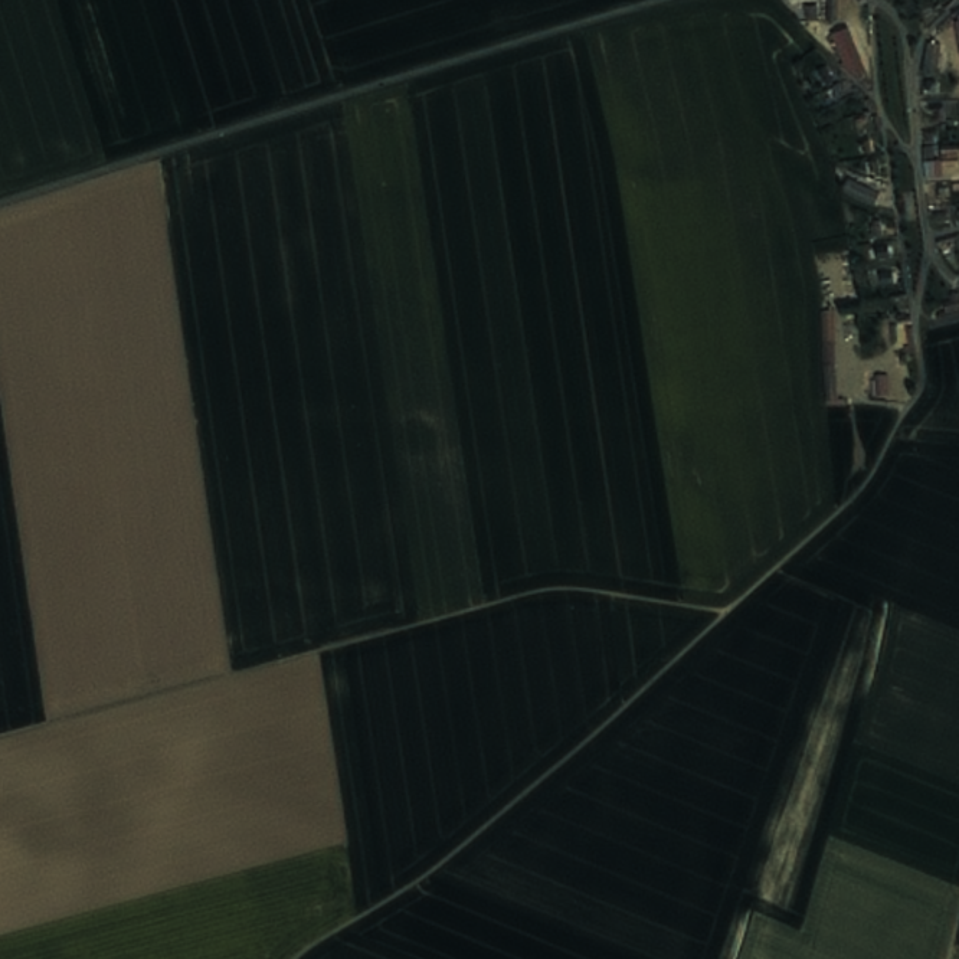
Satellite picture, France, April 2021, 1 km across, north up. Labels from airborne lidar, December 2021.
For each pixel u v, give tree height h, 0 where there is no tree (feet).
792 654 0
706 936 0
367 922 0
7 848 0
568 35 0
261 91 0
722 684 0
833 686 0
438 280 0
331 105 0
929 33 0
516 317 0
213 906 0
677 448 0
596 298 0
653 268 0
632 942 0
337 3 0
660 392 0
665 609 0
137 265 0
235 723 0
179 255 0
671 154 0
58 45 0
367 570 0
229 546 0
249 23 0
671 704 0
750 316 0
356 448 0
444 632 0
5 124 0
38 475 0
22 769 0
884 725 0
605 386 0
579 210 0
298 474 0
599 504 0
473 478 0
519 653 0
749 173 0
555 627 0
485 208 0
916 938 0
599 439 0
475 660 0
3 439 0
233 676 0
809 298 0
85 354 0
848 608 0
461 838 0
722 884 0
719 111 0
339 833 0
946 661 0
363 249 0
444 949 0
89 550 0
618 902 0
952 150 0
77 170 0
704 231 0
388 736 0
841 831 0
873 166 0
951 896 0
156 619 0
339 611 0
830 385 0
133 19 0
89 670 0
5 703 0
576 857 0
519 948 0
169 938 0
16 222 0
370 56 0
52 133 0
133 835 0
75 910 0
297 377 0
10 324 0
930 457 0
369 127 0
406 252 0
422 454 0
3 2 0
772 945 0
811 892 0
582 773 0
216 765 0
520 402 0
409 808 0
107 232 0
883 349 24
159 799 0
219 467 0
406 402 0
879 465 0
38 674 0
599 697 0
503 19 0
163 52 0
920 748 0
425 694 0
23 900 0
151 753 0
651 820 0
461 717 0
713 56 0
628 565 0
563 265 0
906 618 0
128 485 0
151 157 0
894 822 0
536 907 0
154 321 0
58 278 0
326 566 0
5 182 0
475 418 0
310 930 0
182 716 0
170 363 0
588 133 0
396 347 0
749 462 0
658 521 0
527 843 0
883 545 0
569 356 0
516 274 0
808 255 0
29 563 0
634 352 0
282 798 0
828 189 0
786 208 0
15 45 0
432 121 0
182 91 0
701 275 0
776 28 0
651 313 0
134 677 0
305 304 0
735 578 0
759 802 0
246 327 0
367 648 0
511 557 0
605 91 0
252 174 0
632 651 0
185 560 0
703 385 0
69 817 0
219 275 0
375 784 0
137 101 0
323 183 0
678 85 0
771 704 0
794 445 0
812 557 0
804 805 0
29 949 0
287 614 0
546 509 0
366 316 0
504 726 0
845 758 0
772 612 0
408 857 0
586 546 0
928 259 0
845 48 0
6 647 0
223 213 0
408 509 0
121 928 0
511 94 0
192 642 0
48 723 0
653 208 0
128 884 0
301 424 0
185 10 0
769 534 0
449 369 0
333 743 0
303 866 0
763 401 0
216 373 0
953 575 0
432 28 0
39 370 0
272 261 0
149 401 0
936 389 0
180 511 0
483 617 0
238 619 0
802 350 0
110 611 0
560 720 0
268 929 0
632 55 0
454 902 0
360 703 0
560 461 0
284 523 0
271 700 0
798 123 0
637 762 0
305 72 0
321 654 0
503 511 0
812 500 0
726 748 0
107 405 0
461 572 0
